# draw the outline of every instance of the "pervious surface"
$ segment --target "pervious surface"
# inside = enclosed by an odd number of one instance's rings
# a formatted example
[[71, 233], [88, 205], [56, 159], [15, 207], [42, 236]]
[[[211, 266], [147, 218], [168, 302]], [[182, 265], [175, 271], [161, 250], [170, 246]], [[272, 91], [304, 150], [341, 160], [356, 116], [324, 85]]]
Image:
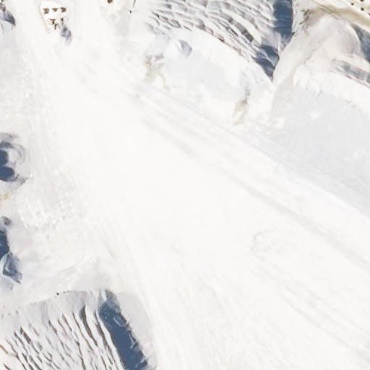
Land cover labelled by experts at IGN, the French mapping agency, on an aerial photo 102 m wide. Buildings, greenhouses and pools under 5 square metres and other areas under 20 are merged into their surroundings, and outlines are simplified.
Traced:
[[370, 370], [370, 0], [0, 0], [0, 370]]

